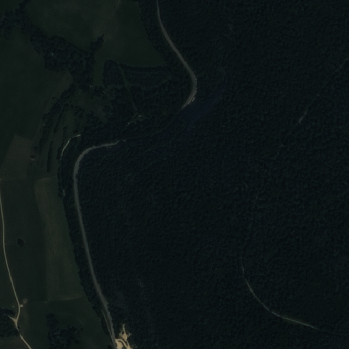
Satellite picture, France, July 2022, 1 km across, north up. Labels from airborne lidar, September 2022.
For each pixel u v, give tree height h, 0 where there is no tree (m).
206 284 19
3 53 0
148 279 12
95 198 20
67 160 15
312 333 13
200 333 18
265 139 19
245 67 17
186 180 22
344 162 23
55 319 19
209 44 17
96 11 0
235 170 24
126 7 0
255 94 19
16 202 0
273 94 18
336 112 27
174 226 14
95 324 0
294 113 21
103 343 0
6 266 0
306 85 18
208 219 19
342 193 17
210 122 17
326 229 14
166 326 14
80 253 16
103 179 11
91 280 24
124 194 9
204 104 10
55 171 0
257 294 14
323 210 24
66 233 0
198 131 17
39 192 0
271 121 16
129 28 0
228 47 13
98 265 16
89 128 15
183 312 18
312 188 13
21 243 16
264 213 19
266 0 19
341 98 26
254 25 13
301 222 25
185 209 20
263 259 21
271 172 9
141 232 7
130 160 16
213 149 25
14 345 0
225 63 27
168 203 20
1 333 11
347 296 10
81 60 18
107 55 0
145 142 26
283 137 17
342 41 19
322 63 20
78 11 0
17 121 0
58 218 0
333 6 19
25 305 0
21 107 0
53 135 0
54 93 0
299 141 22
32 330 0
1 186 0
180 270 19
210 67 17
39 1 0
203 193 24
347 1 18
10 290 0
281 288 13
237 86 18
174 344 8
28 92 0
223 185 27
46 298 0
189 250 19
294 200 9
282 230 17
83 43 0
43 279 0
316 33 16
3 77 0
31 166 0
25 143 0
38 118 0
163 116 19
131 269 17
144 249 16
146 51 0
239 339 17
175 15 21
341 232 12
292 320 0
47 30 0
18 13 20
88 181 14
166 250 21
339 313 9
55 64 24
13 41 0
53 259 0
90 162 17
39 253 0
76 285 0
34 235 0
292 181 10
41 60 0
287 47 18
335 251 22
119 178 16
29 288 0
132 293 16
